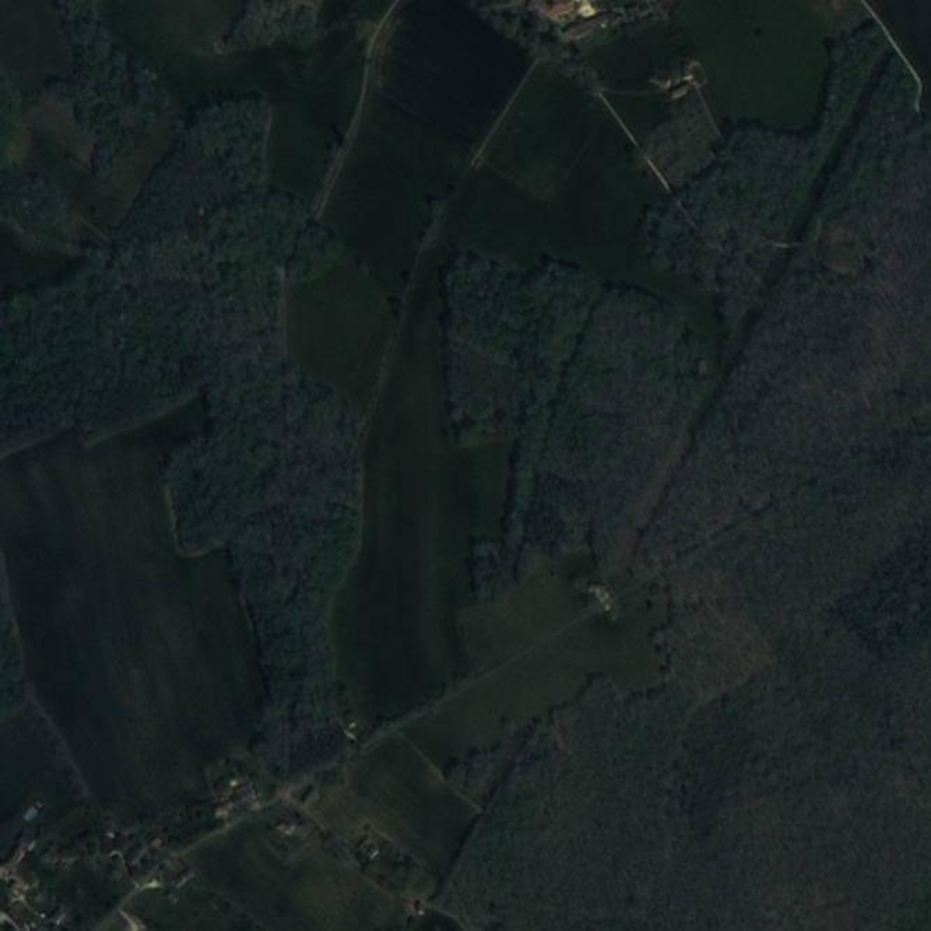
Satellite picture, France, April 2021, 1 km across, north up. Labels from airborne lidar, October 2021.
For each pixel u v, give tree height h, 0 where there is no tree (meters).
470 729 0
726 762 7
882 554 17
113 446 0
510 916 15
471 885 17
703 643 18
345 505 20
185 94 0
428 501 0
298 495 19
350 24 22
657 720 20
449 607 0
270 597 26
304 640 23
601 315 20
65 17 22
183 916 0
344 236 0
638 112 0
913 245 18
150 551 0
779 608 16
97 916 6
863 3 0
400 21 0
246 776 8
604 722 19
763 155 24
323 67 0
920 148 19
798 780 10
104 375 24
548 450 22
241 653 0
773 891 11
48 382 21
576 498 21
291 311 0
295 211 23
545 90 0
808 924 12
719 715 11
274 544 18
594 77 20
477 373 12
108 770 0
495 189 0
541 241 0
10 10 0
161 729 0
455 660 0
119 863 12
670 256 23
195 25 0
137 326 18
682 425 20
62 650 0
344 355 0
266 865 0
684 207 14
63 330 26
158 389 20
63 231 24
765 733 13
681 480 18
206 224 21
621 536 20
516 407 10
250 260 17
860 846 19
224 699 0
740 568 17
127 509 0
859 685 12
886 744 11
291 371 19
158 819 8
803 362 22
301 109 0
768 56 0
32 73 0
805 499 22
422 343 0
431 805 0
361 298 0
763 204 26
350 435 20
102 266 24
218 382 20
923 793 16
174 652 0
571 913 19
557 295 21
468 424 10
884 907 17
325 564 23
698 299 0
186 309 15
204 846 0
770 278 0
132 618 0
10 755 0
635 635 0
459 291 23
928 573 23
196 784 0
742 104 0
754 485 21
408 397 0
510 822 13
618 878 18
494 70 0
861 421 20
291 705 24
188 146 11
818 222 19
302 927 0
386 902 0
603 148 0
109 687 0
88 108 19
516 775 19
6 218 20
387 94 0
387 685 0
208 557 0
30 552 0
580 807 17
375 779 0
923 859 16
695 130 6
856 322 16
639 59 0
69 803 0
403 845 0
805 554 20
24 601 0
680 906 16
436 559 0
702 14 0
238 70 0
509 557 20
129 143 22
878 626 18
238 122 28
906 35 0
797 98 0
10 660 16
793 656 10
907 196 23
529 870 17
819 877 13
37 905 6
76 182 0
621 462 23
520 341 19
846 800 15
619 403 20
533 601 0
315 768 19
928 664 15
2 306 18
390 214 0
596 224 0
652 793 16
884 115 20
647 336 24
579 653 0
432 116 0
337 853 15
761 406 17
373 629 0
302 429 19
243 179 21
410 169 0
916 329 21
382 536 0
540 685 0
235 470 26
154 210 12
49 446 0
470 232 0
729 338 21
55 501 0
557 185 0
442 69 0
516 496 19
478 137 0
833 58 19
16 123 25
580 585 14
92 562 0
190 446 17
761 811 10
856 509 20
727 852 13
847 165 23
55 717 0
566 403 18
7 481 0
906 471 23
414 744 0
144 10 0
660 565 14
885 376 24
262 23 14
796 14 0
